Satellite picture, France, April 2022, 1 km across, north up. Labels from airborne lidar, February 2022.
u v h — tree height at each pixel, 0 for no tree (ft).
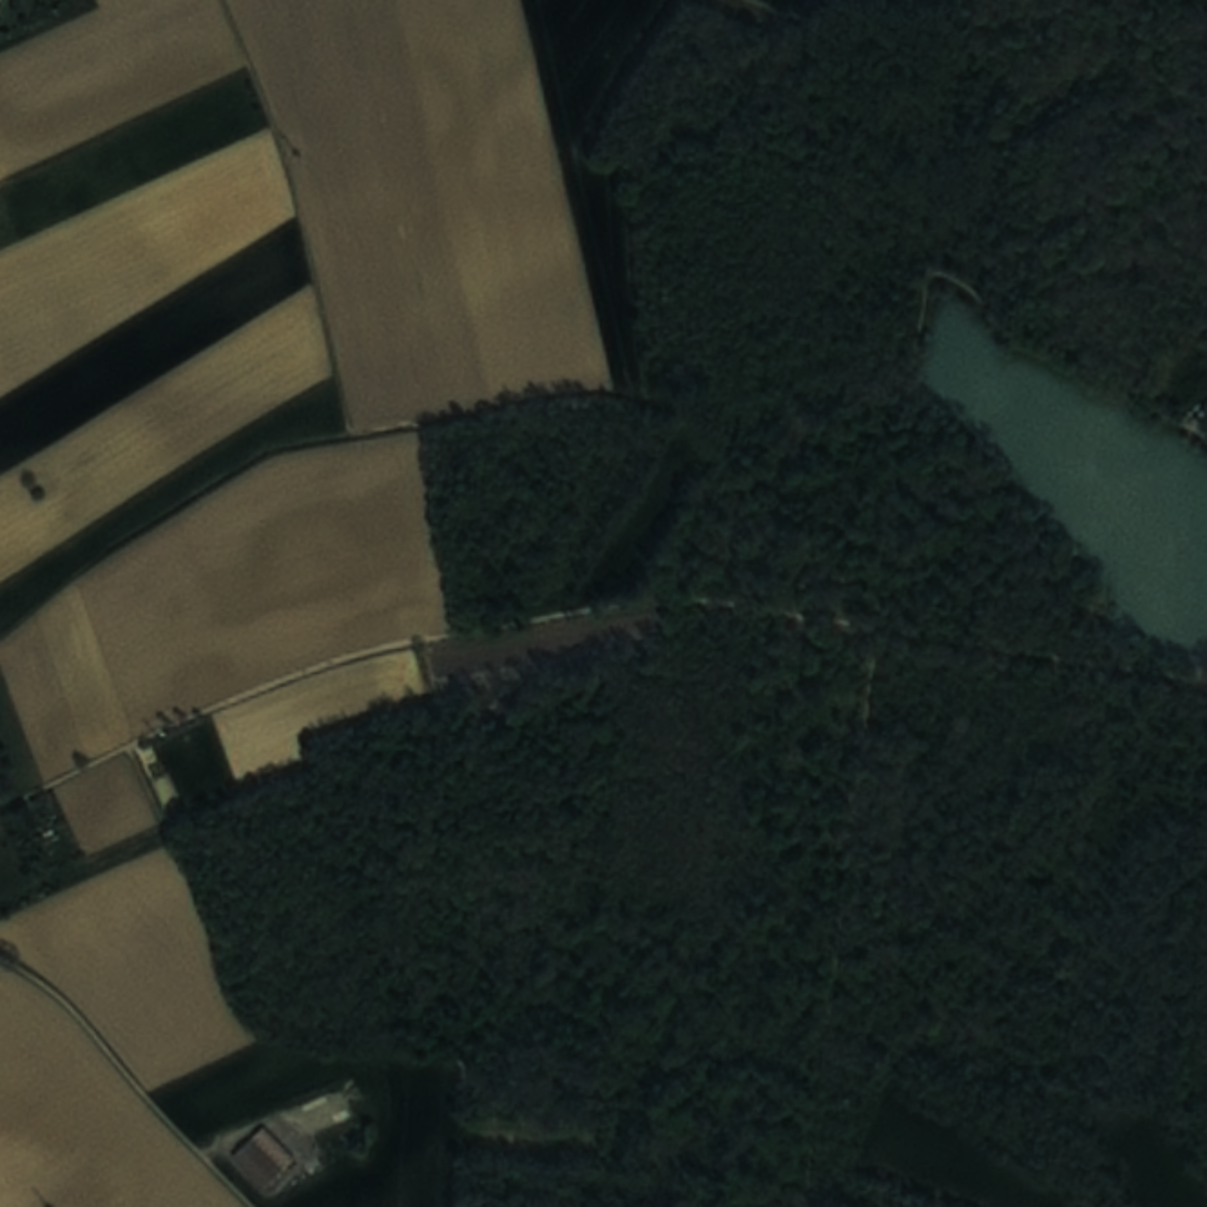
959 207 91
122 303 0
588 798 88
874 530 81
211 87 0
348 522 0
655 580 90
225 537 0
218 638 0
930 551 107
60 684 0
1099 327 113
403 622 0
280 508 0
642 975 61
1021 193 94
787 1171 80
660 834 64
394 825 76
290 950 91
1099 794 119
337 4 0
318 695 0
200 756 0
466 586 59
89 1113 0
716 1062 54
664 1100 106
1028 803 112
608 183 0
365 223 0
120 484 0
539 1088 109
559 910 60
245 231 0
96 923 0
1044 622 105
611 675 68
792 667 100
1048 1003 63
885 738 87
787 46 103
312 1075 0
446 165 0
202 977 0
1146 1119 0
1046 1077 58
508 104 0
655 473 73
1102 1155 65
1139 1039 81
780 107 103
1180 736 75
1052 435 0
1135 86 99
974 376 0
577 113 0
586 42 0
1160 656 50
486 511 66
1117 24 95
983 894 76
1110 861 61
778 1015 80
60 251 0
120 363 0
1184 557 0
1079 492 0
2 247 0
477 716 93
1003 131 101
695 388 121
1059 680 41
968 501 93
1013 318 73
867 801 93
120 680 0
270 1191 0
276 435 0
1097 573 60
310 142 0
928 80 129
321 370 0
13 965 51
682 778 56
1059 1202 0
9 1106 0
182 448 0
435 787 91
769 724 65
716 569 94
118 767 0
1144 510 0
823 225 75
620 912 31
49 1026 0
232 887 75
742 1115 79
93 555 0
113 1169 0
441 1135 0
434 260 0
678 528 68
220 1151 0
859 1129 27
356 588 0
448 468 46
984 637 67
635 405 26
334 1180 0
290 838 82
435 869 94
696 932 47
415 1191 0
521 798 75
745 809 60
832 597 93
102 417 0
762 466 82
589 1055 86
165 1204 0
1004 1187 0
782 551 99
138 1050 0
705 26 88
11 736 0
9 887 0
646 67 64
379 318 0
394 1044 44
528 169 0
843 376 75
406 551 0
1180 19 115
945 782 72
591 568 71
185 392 0
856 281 75
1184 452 0
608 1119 95
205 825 72
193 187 0
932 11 124
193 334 0
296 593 0
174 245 0
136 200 0
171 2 0
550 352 0
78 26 0
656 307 35
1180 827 84
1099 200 111
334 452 0
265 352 0
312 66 0
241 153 0
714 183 72
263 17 0
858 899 89
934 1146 0
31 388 0
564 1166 88
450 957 68
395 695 0
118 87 0
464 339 0
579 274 0
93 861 0
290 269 0
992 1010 80
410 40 0
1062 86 75
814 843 63
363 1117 0
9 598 0
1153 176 116
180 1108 0
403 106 0
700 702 57
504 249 0
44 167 0
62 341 0
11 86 0
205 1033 0
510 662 0
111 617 0
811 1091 88
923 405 65
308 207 0
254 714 0
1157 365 110
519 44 0
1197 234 116
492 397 0
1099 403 0
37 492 28
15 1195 0
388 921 79
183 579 0
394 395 0
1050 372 0
